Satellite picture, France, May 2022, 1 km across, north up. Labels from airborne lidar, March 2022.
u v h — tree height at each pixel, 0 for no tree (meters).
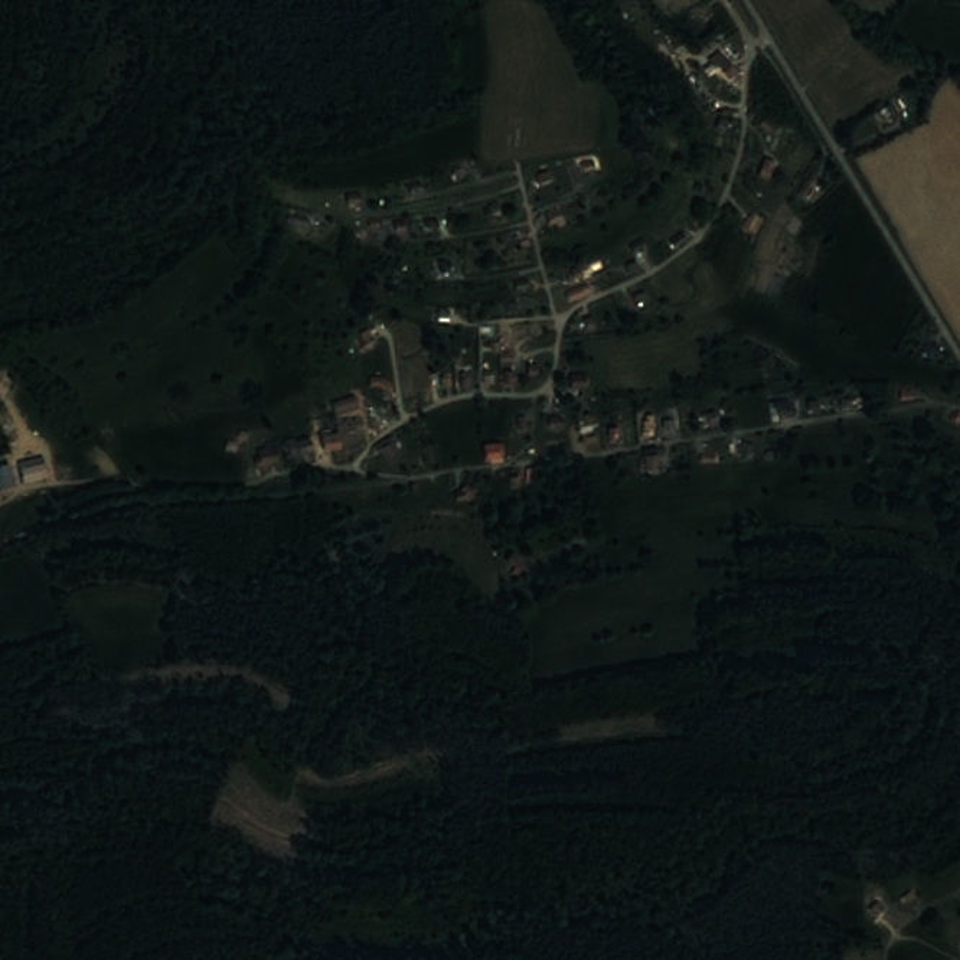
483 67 0
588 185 0
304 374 0
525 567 0
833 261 0
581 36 14
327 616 26
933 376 0
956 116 0
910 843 25
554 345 0
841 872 20
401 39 17
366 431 0
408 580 21
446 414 0
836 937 18
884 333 0
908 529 0
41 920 17
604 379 0
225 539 10
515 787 27
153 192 17
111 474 0
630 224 0
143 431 0
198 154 26
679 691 20
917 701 30
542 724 16
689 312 0
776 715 26
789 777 8
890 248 0
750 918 33
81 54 18
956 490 20
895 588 18
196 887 18
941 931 19
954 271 0
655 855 21
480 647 16
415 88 17
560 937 25
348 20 17
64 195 21
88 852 18
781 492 0
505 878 14
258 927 22
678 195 0
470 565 0
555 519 21
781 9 0
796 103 0
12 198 15
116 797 10
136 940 18
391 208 10
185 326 0
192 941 22
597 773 6
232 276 0
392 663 6
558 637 0
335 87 22
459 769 30
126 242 21
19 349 20
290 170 14
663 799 12
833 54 0
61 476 0
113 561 18
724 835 24
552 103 0
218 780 28
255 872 22
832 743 31
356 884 36
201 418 0
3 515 0
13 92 8
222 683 8
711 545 0
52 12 10
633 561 0
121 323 0
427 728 27
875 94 0
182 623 21
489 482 9
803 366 0
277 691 0
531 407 0
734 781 11
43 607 0
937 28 0
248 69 26
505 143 0
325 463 0
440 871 29
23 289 12
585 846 20
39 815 29
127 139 17
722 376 0
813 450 0
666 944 19
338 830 17
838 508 0
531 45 0
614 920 18
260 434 0
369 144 18
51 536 23
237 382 0
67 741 11
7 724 13
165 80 13
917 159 0
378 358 0
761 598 24
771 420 0
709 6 0
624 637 0
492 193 0
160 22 9
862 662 28
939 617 21
